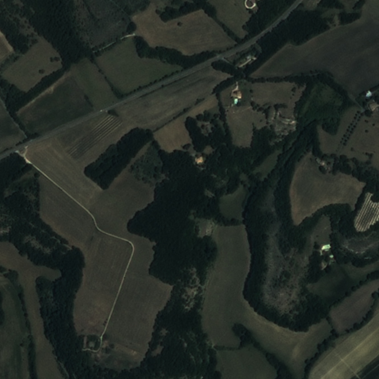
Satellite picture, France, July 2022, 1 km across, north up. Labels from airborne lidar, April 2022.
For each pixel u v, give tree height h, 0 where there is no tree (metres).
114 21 0
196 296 7
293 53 0
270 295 0
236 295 0
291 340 0
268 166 0
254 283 20
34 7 9
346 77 0
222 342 0
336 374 0
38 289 5
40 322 0
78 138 0
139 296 0
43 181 0
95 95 0
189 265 8
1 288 0
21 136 0
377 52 0
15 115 13
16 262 0
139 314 0
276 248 0
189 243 13
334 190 0
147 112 0
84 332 0
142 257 0
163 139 0
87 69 0
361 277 0
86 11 0
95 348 7
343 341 0
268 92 0
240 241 0
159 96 0
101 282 0
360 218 0
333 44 0
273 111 0
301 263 0
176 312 11
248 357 0
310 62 0
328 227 0
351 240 0
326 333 0
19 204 13
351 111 0
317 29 10
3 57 0
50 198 0
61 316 17
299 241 9
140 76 0
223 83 12
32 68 0
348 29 0
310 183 0
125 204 0
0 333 0
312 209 0
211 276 0
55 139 0
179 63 13
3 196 11
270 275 0
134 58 0
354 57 0
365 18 0
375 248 0
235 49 0
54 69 0
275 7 11
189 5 14
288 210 11
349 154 0
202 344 11
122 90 0
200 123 0
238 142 0
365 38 0
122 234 0
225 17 0
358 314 0
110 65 0
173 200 24
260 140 13
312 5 0
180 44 0
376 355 0
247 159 12
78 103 0
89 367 9
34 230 10
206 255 6
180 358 12
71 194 0
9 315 0
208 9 18
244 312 0
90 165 9
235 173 11
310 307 12
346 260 18
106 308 0
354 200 0
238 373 0
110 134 0
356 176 10
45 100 0
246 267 0
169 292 0
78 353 14
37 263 13
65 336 16
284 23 16
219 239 0
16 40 13
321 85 0
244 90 0
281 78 9
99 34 0
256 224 15
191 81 0
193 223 10
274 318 14
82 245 0
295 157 9
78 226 0
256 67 9
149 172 7
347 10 0
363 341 0
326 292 0
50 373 0
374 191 9
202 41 0
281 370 15
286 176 10
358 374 0
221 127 11
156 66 0
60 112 0
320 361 0
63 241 11
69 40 14
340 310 0
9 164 13
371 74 0
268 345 0
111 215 0
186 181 17
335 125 6
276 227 0
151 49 13
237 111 0
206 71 0
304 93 13
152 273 10
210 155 7
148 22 0
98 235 0
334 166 8
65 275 18
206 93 0
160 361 10
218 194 15
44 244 6
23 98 12
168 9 12
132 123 0
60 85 0
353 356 0
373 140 0
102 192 0
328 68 0
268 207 0
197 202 20
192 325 18
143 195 0
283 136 7
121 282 0
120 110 0
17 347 0
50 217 0
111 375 10
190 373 9
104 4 0
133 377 10
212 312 0
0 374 0
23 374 0
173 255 13
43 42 0
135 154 14
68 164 0
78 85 0
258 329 0
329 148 0
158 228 18
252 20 10
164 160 14
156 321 8
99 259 0
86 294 0
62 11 15
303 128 11
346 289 0
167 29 0
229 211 0
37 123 0
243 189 0
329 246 0
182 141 0
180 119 0
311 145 12
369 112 13
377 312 0
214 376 20
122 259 0
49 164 0
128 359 0
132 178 0
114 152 13
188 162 13
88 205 0
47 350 0
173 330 12
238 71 14
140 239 0
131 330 0
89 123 0
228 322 0
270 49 15
